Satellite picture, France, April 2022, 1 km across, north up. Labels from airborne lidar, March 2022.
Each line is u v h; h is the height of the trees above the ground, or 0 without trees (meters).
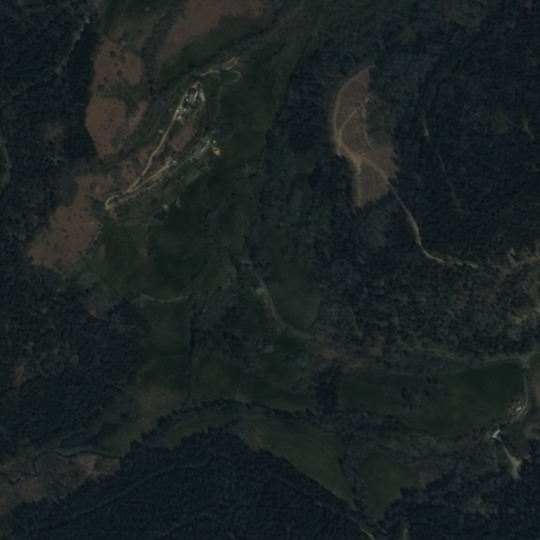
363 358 30
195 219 0
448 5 15
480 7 16
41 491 17
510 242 22
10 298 27
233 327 18
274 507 14
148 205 0
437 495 28
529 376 8
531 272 22
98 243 10
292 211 20
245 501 19
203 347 22
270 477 22
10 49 21
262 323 7
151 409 0
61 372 25
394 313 21
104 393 28
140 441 0
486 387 0
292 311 0
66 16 18
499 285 11
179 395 0
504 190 19
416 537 19
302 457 0
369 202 0
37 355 24
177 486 20
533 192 18
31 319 31
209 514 21
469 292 13
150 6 0
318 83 23
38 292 11
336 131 0
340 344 19
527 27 18
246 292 16
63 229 0
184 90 15
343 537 24
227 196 0
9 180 0
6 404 28
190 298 7
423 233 9
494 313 33
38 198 24
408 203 23
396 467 0
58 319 27
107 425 12
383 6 16
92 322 25
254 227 11
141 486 19
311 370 10
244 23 0
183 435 0
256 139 0
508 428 14
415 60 33
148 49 13
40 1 0
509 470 12
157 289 0
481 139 13
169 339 0
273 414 22
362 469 0
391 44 25
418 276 12
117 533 21
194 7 0
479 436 22
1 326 24
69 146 19
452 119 13
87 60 17
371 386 0
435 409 0
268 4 14
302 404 0
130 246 0
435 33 23
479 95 19
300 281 0
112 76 0
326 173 28
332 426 27
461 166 16
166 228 0
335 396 13
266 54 0
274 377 0
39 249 0
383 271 19
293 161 22
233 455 20
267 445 0
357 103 0
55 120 30
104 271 0
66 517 24
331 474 0
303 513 27
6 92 24
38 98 32
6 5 19
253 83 0
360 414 15
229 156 0
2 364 29
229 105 0
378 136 19
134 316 36
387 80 26
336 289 22
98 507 21
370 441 23
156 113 8
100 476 30
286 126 19
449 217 17
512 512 28
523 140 11
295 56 9
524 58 13
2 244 30
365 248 17
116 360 30
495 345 22
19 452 27
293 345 0
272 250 0
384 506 0
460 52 23
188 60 0
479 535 21
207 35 0
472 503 23
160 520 17
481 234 21
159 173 0
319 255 18
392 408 0
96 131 0
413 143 26
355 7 9
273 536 19
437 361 26
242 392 0
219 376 0
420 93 25
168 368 0
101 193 0
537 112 15
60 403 27
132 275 0
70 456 18
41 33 20
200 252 0
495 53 15
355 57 18
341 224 13
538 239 18
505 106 16
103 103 0
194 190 0
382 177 0
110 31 0
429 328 33
